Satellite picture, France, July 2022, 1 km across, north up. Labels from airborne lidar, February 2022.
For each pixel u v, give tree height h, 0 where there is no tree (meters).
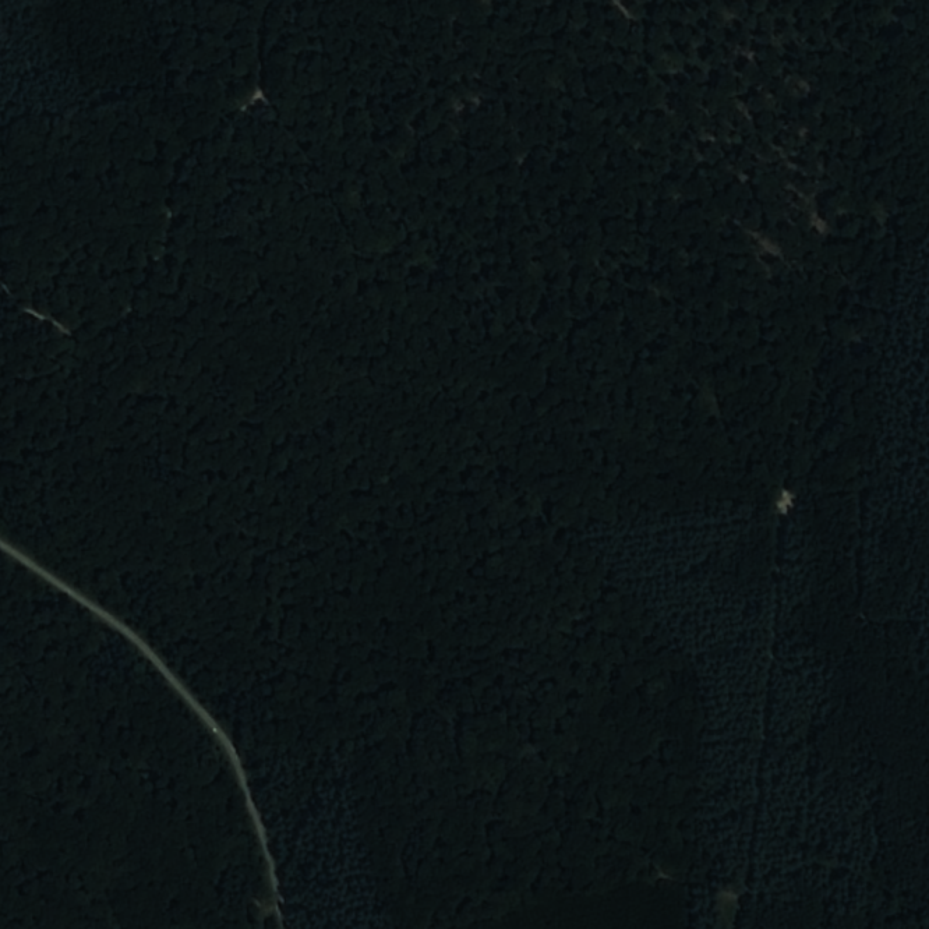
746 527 30
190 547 26
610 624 29
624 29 26
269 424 28
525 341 29
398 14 27
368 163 30
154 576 30
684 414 27
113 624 0
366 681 30
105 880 28
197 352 31
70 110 26
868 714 29
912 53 25
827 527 20
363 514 30
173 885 28
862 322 28
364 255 27
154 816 28
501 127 24
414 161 8
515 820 27
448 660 25
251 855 26
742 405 15
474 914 29
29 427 30
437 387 28
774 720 26
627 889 8
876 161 29
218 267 26
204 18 25
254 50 20
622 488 30
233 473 26
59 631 30
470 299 29
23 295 22
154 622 18
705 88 27
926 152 26
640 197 26
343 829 30
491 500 27
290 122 26
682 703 31
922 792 23
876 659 21
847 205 30
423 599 28
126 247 29
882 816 20
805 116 27
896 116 27
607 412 28
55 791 30
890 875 26
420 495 29
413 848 27
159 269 24
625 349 28
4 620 24
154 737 26
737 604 33
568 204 23
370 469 29
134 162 26
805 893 21
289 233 27
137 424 26
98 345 28
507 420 31
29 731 28
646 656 24
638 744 24
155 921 29
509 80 24
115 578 26
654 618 32
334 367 29
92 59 10
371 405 27
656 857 26
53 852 31
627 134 29
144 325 24
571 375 25
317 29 27
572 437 30
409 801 21
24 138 30
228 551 30
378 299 29
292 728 31
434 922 27
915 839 18
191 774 25
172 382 26
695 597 29
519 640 30
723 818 23
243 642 28
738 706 32
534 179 31
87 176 29
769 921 25
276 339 26
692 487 28
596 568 24
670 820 29
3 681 27
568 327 26
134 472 25
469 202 25
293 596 31
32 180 29
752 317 25
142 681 26
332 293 24
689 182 25
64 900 33
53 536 25
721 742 25
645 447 29
